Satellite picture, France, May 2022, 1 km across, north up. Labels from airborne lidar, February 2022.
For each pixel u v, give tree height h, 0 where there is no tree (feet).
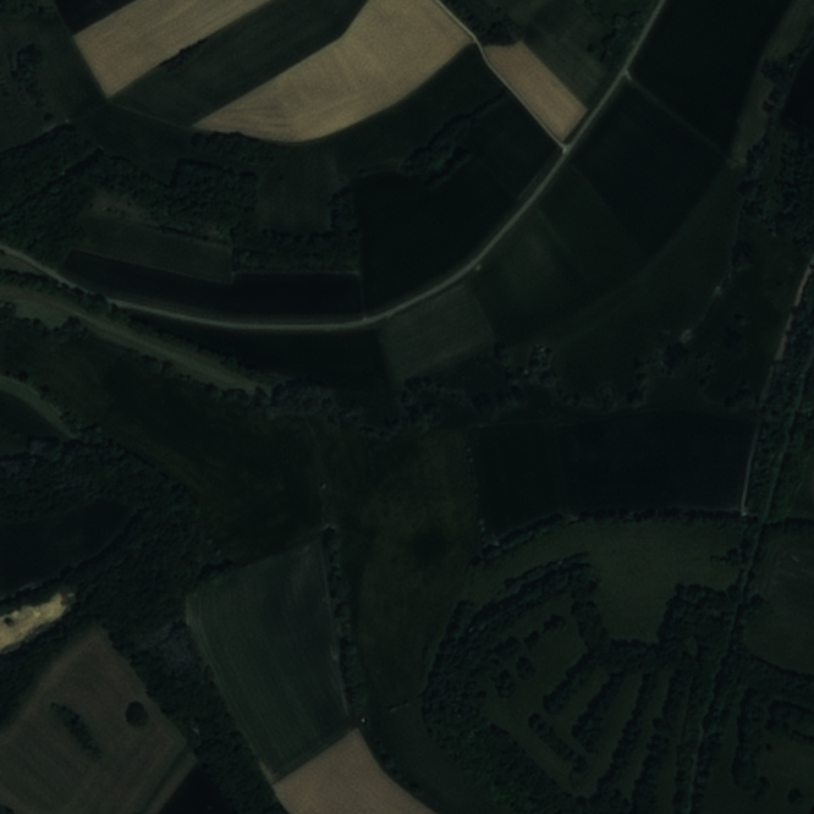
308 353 0
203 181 63
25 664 66
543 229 0
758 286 0
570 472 0
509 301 0
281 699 0
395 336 0
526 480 0
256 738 0
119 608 63
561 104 0
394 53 0
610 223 0
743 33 0
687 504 0
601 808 46
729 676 61
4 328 0
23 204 37
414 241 0
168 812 0
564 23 0
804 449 35
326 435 0
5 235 58
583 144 0
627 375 0
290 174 0
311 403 83
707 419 0
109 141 0
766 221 41
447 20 0
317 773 0
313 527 0
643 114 0
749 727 61
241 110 0
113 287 0
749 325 0
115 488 53
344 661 44
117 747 0
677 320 0
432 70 0
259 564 0
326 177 0
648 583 0
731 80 0
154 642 49
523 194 0
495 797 32
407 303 0
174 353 0
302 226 0
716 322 0
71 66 0
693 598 49
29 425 0
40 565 0
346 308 0
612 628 0
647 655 65
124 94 0
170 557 79
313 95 0
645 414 0
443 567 0
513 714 0
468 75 0
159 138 0
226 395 42
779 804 0
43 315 0
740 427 0
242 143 42
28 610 0
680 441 0
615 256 0
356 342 0
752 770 54
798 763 0
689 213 0
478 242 0
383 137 0
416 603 0
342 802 0
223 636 0
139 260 0
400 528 0
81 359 0
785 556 0
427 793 0
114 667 0
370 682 0
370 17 0
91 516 0
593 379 0
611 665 50
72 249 0
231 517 0
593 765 0
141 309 0
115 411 0
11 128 0
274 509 0
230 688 0
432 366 0
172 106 0
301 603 0
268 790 65
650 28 0
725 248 0
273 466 0
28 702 0
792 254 0
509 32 20
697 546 0
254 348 0
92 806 0
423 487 0
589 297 0
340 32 0
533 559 0
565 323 0
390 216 0
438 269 0
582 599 47
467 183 0
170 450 0
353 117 0
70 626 49
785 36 0
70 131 38
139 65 0
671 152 0
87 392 0
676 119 0
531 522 0
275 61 0
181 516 68
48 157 43
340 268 33
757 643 0
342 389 0
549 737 38
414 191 0
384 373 0
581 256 0
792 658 0
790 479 55
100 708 0
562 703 41
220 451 0
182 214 52
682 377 0
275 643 0
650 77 0
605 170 0
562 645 0
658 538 0
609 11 0
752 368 0
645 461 0
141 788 0
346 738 0
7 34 0
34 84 41
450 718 53
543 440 0
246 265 38
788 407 22
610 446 0
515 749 52
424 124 0
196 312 0
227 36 0
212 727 78
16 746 0
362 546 0
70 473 46
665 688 0
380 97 0
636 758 0
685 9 0
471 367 0
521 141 0
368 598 0
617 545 0
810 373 52
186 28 0
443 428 0
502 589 0
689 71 0
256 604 0
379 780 0
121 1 0
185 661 64
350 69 0
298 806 0
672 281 0
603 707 40
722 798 0
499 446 0
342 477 0
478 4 0
